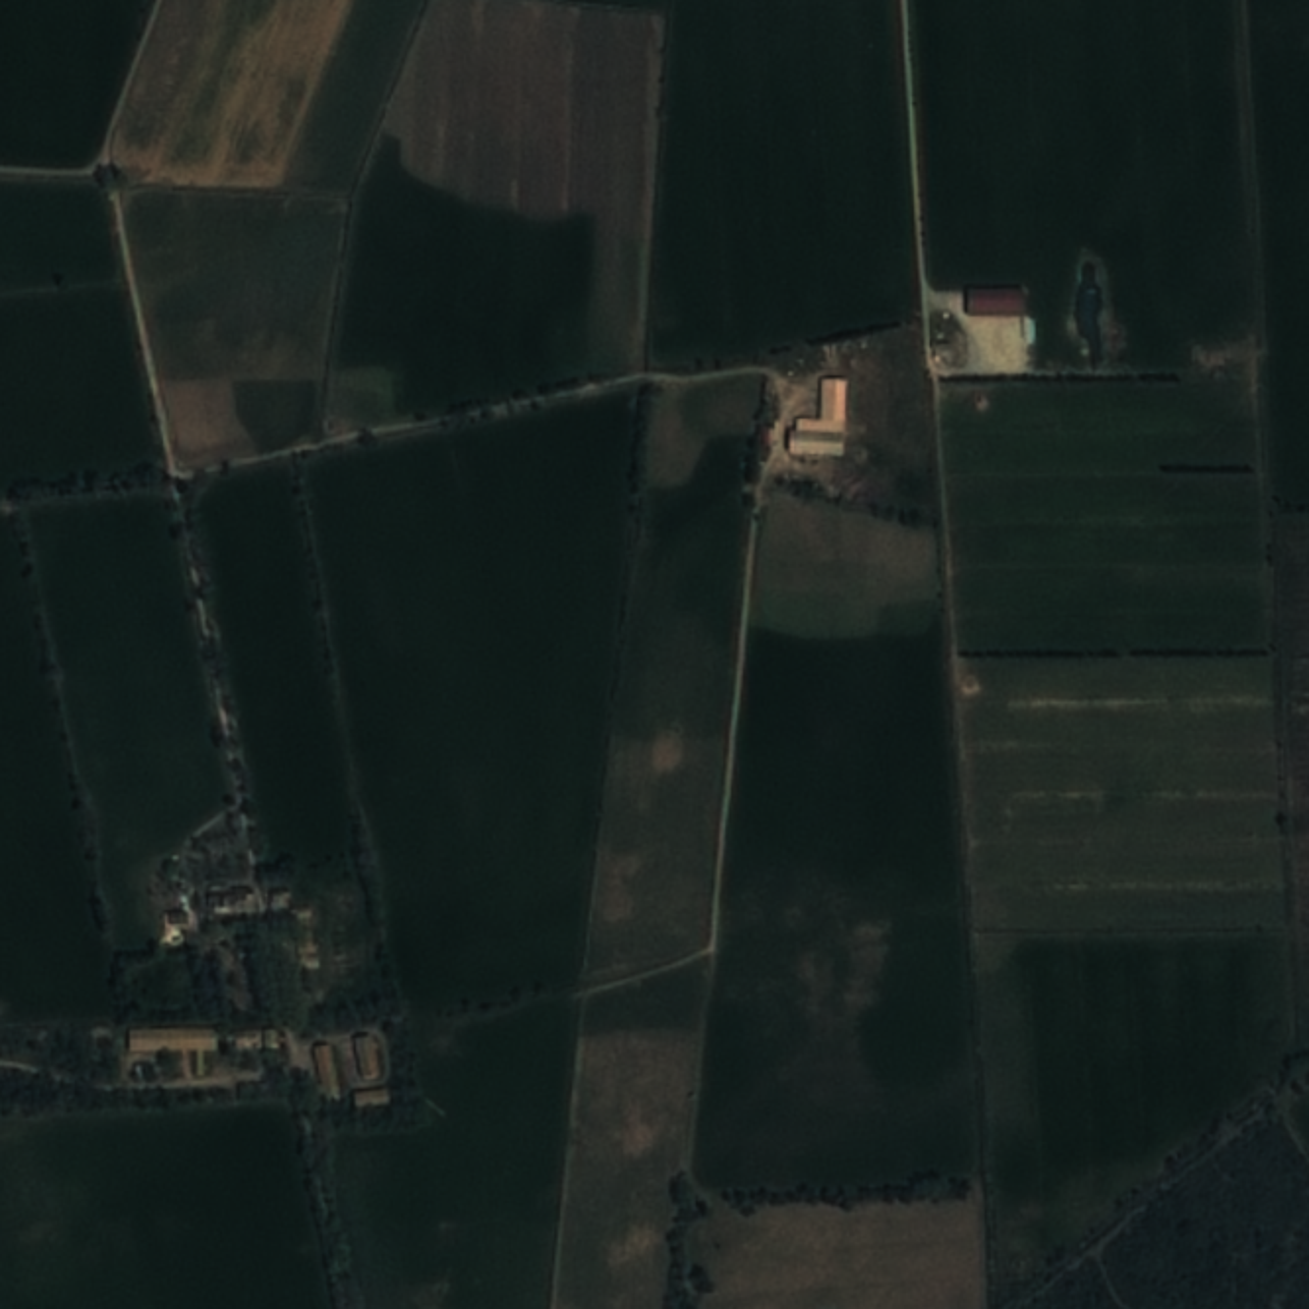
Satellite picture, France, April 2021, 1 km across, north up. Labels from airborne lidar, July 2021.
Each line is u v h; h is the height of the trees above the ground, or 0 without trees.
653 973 0
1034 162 0
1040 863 0
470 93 0
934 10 0
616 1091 0
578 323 0
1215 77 0
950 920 0
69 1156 0
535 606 0
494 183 0
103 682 0
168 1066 10
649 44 0
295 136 0
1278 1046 0
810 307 0
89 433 0
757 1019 0
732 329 0
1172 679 0
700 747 0
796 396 0
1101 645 0
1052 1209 0
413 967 0
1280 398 0
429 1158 0
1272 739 0
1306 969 0
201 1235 0
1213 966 0
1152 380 14
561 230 0
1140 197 0
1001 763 0
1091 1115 0
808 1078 0
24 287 0
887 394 0
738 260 0
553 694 0
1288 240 0
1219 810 0
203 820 0
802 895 0
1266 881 0
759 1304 0
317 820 0
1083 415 0
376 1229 0
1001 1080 0
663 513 0
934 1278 0
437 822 0
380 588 0
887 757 0
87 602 0
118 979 10
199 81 0
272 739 0
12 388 0
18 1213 0
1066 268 0
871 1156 0
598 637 0
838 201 0
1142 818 0
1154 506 0
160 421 7
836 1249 0
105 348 0
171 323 0
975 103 0
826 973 0
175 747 0
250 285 0
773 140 0
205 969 10
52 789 0
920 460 0
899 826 0
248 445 0
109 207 0
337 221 0
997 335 0
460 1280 0
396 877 0
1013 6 0
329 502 0
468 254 0
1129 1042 0
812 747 0
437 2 0
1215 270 0
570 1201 0
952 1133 0
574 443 0
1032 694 0
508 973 0
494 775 0
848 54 0
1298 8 0
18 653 0
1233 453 0
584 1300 0
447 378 0
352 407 0
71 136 0
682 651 0
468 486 0
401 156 0
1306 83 0
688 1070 0
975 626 0
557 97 0
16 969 0
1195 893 0
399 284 0
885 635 0
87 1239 0
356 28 0
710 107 0
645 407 10
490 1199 0
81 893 0
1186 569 0
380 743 0
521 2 0
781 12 0
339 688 0
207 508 0
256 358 0
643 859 0
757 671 0
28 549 10
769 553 0
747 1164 0
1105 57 0
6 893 0
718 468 0
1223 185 0
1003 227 0
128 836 0
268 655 0
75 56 0
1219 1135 13
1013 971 0
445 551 0
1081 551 0
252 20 0
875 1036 0
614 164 0
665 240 0
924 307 0
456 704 0
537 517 0
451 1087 0
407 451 0
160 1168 0
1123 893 0
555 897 0
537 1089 0
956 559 0
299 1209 0
